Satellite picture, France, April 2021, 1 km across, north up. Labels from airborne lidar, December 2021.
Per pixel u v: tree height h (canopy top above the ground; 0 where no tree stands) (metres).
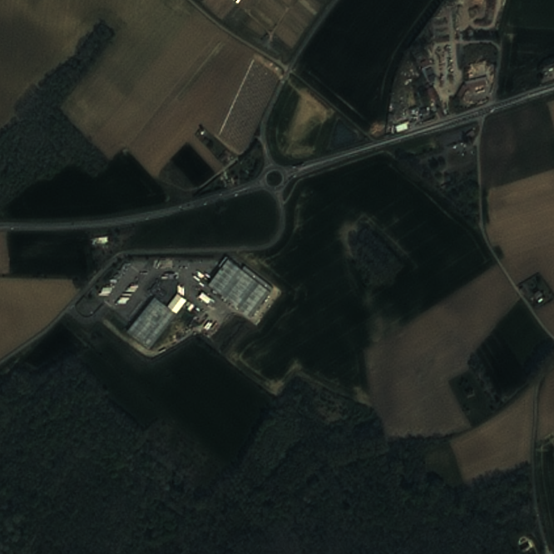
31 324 0
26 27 0
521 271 0
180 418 0
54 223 0
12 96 0
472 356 10
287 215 0
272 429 16
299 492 19
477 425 0
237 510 22
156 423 8
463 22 0
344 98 0
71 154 18
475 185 16
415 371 0
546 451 0
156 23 0
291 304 0
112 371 0
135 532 21
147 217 0
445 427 0
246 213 0
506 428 0
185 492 26
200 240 0
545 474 0
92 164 13
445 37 0
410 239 0
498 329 0
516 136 0
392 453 20
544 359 32
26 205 0
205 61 0
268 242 0
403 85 0
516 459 0
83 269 0
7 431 21
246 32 0
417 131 0
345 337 0
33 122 23
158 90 0
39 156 13
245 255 0
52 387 25
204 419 0
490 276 0
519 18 0
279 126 0
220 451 0
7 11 0
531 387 0
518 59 0
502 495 32
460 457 0
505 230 0
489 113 0
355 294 0
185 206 0
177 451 10
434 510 23
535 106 0
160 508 20
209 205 0
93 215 0
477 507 14
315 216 0
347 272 0
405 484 26
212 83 0
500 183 0
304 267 0
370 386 0
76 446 29
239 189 0
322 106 0
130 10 0
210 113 0
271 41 0
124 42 0
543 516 0
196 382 0
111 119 0
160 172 0
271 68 0
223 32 0
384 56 0
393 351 0
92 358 0
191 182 0
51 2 0
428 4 0
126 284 0
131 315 0
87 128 0
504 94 0
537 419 0
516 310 0
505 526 19
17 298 0
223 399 0
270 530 24
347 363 0
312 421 19
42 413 29
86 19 0
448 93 0
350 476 29
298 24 0
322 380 0
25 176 16
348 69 0
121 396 0
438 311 0
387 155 0
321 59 0
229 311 0
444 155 0
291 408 17
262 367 0
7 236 0
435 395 0
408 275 0
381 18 0
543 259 0
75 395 29
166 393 0
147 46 0
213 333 0
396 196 0
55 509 19
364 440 36
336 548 25
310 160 0
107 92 0
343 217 0
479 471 0
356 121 0
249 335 0
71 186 0
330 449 32
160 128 0
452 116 0
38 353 0
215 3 0
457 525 22
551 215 0
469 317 0
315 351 0
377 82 0
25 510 25
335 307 0
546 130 0
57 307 0
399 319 0
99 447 25
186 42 0
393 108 0
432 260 0
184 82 0
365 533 20
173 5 0
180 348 0
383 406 0
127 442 31
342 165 0
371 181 0
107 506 23
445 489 25
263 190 0
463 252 0
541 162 0
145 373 0
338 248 0
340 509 28
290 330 0
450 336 0
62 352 0
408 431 0
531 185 0
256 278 0
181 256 0
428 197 0
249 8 0
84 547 16
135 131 0
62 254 0
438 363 0
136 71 0
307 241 0
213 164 0
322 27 0
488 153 0
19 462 26
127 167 0
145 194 0
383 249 19
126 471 17
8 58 0
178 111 0
